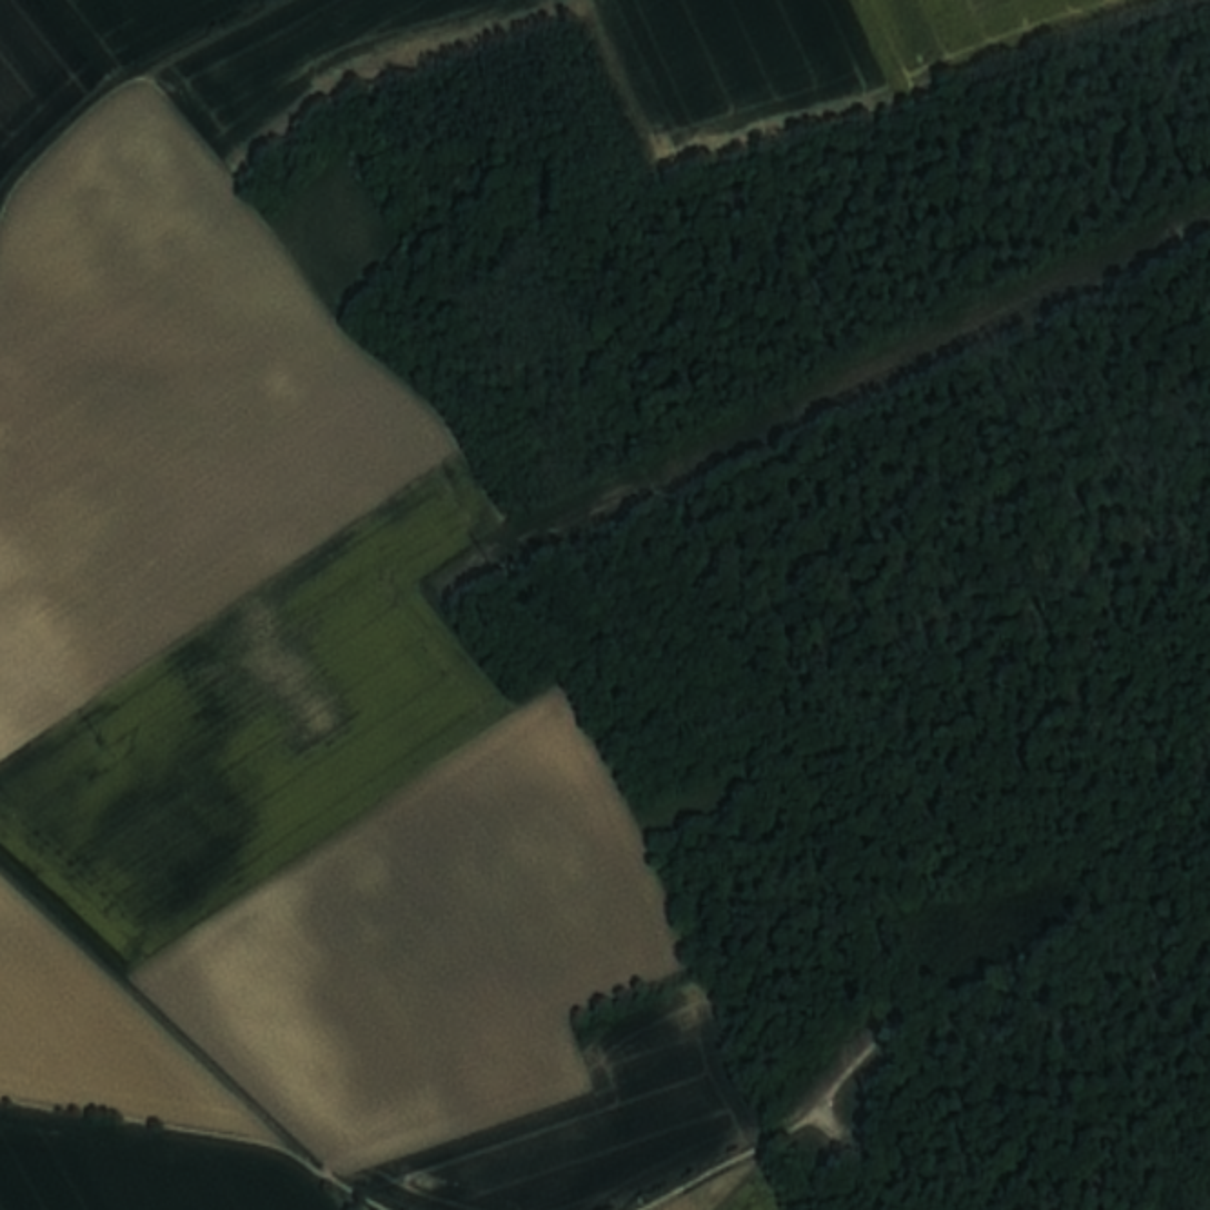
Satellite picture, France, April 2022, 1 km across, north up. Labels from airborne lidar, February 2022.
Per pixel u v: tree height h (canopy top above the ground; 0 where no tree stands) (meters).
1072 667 20
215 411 0
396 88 22
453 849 0
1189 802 25
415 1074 0
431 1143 0
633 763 20
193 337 0
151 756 0
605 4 0
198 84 0
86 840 0
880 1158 23
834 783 22
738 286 20
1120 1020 23
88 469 0
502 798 0
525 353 18
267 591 0
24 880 0
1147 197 25
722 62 0
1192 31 16
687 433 20
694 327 22
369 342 18
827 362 25
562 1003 0
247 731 0
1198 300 24
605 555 21
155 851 0
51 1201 0
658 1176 0
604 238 23
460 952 0
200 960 0
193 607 0
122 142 0
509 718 0
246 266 0
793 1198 13
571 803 0
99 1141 0
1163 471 24
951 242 24
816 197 17
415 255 13
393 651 0
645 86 0
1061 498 26
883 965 22
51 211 0
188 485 0
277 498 0
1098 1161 25
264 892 0
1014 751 17
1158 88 21
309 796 0
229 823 0
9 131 0
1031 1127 21
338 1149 0
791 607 22
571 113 24
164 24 0
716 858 21
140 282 0
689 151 0
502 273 23
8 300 0
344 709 0
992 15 0
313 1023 0
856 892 23
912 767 20
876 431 26
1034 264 26
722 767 17
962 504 26
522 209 25
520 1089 0
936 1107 20
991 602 19
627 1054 0
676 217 22
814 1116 0
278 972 0
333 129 15
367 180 13
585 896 0
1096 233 22
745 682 23
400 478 0
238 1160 0
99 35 0
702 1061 0
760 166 21
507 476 16
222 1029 0
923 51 0
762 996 25
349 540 0
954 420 26
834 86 0
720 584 25
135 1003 0
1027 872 20
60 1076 0
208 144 0
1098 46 13
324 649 0
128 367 0
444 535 0
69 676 0
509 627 22
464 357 20
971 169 26
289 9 0
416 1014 0
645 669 25
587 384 14
